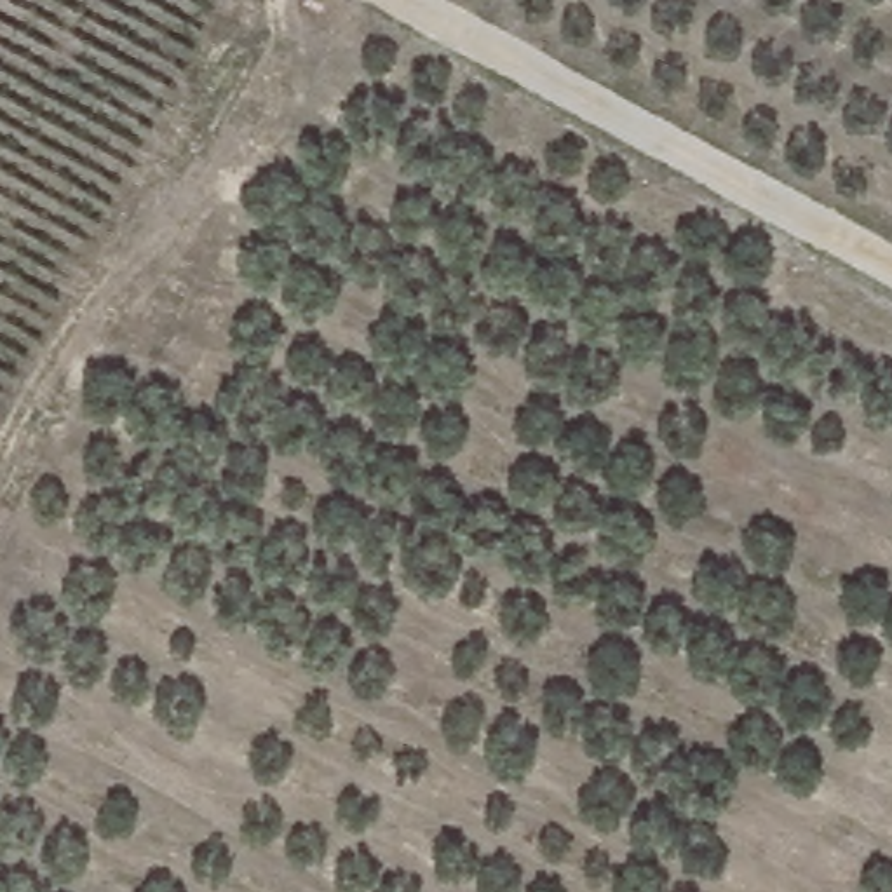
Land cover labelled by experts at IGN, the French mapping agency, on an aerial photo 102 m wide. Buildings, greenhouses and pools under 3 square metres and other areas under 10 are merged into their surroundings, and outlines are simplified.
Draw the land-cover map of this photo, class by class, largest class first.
<instances>
[{"label":"deciduous trees","instance_id":"1","mask_svg":"<svg viewBox=\"0 0 892 892\"><path fill-rule=\"evenodd\" d=\"M693 17V0H655L652 24L659 31L686 28ZM843 17V3L836 0H808L801 7L805 35L829 38H836ZM561 31L568 42H585L592 35V10L589 3H568ZM707 52L714 59H732L742 45V24L735 14L718 10L711 14L704 35ZM857 59L892 52V38L882 35L868 17L861 21L850 45ZM610 63H634L641 52V35L613 28L606 42ZM397 42L390 35H366L362 66L369 70V84H355L348 91L338 125H303L300 150L293 160L275 157L240 185V202L247 216H254V230L244 233L237 247L240 279L251 282V296L230 317L233 369L220 376V387L209 404H188L185 387L167 373L132 369L125 380H118L91 373L84 366V411L91 415L94 432L84 443L87 495L80 502L77 530L87 537L94 558L73 554L59 592L17 599L10 613V631L24 648L63 652V666L73 676V686L91 690L101 676L108 652V634L101 624L112 606L115 582L153 564L157 551L164 547L171 554L167 571L160 578L164 596H171L181 606H192L202 599L206 589L216 596V613L223 627L254 624L268 634L265 648L272 655L303 648L307 672H345L348 690L359 700H376L394 679V659L390 648H383L394 613L401 606V599L390 589V561L404 564V578L415 589H422V596H443L453 585L460 589L463 606H477L484 599L488 575L498 564H505L512 571V589L502 592L498 620L505 634L519 641H537L551 624L547 613L568 606L575 596L596 599L599 638L585 652L589 672L575 679L582 690L575 697L544 690V718L551 721L554 739L561 732H582L585 753L592 756L596 770L578 787L582 819L592 822L599 833L617 829L620 819L631 822V854L624 861H610V854L599 847L585 850V878L610 882L613 892H700L704 878H718L728 861V843L718 833V819L721 808H728L732 801L739 774L777 770V781L791 794H812L822 781V753L808 739L812 725H829L833 739L843 749H857L871 739V718L864 714L861 700L833 697L815 662L794 666L777 648L794 624L798 603L794 589L787 585L794 526L787 519L774 512H756L742 526V547L735 554H700L690 575L693 592L704 596L697 610L683 603L679 592L655 596L645 589V578L638 571L645 554L655 547V519L641 505V488L655 463V453L641 429H631L620 443L610 439V425L599 422L592 411L603 397L617 390L624 366L652 362L662 366L669 387H679L686 397L662 404L659 432L669 443V449H679L686 456H700L707 436L700 383L714 387L721 415L735 418L742 432L767 429L774 443H794L798 436H812V446L822 453L843 446V418L836 411L822 415L812 408L826 387L861 394L864 415L892 411V355H871L850 338L826 335L808 310L774 307L767 293V275L774 261L770 230L756 223L728 226L721 213L693 209L676 220L672 233L659 237L638 233V226L624 213H585L571 188V174L585 143L575 132H564L547 143V153L537 160L519 153H495V146L481 136L488 91L481 84H463L460 91L449 87L446 52H443L418 56L411 63V80L401 87H387L383 80L394 66ZM383 143L397 146L401 188L394 192L390 216L380 220L369 209H348L341 199V181L352 160L380 157ZM345 282H359L362 289H387L380 317L369 321L366 331L373 345L366 359L359 352H338L317 335V314H331ZM481 341L495 348V355H509L512 362H519L530 376V394L516 408L519 456L509 463V488L502 491H467L449 470V456L467 443L470 429V418L463 411V390L477 369L470 348ZM279 453H314L328 470V491L317 498L314 509L317 533L310 537L300 519H275L261 512L268 460ZM631 624H641L659 652H686L690 672L697 679H725L728 690L739 697L742 714H735V721L728 725V739L721 749L707 742H686L683 732L669 739H648L645 732L631 728V718L613 721V707H627L641 683V655L638 645L627 638ZM794 49H774L770 38H763L753 49V73L777 84L781 73L791 66ZM652 73L662 91H679V84L686 80V59L679 52H666L655 59ZM840 91V77L826 73L815 80L812 59H801L794 98L829 101ZM732 101V84L704 77L700 108L718 118ZM843 125L850 132H882L892 150V105L868 87H854L843 108ZM777 129V108L756 105L742 118V132L756 146H770ZM826 157L822 125L808 122L794 125L787 136V160L798 174H815ZM631 185V171L617 153H606L592 164L589 188L596 199H620ZM833 178L840 192L868 188V174L861 167L836 160ZM659 505L666 509L669 526L679 530L707 509V498L697 474H690L686 467H669L659 481ZM70 491L59 474H42L31 488V509L42 523H56L66 512ZM840 606L847 617V638L836 645V662L843 676L850 683L868 686L878 672L882 645L861 631L868 620H875L892 634V585L889 571L878 564H861L843 575ZM488 652L484 631H470L453 645V672L460 679L477 672ZM115 700L139 704L146 690V659L122 655L112 679ZM530 669L516 659H502L495 669V683L502 693L519 697L526 690ZM59 686L49 672L24 669L17 676L10 707L0 711V760H7V767L14 770V784H35L42 777L49 763V746L42 735L45 725L56 718ZM206 707V686L199 676L181 672L164 676L157 683L153 714L174 739L188 742ZM293 718L310 728L314 739H328V690H310ZM484 714L481 697L460 693L443 711V735L453 753L474 742L477 718ZM530 721L519 718L516 707H502L488 728V770L498 781H523L533 767L537 742L523 739V728ZM383 749V735L362 725L352 732V753L359 760H369ZM293 763V742H286L275 728H265L251 742V770L258 781H279ZM429 767L425 749L401 746L394 756L397 781L422 777ZM139 812L136 794L125 784H115L105 791V801L98 808V829L108 840L125 836L136 826ZM380 812V798L362 794L355 784H345L338 791V819L348 822V829H366ZM484 819L491 829H505L512 819V798L495 791L484 801ZM10 836L42 850L49 864L45 878L24 861L3 864ZM91 861L84 826H77L73 819H59L52 826L45 822V812L35 798L0 794V892H70L73 878L84 875ZM282 819V808L275 798H258L244 805L240 829L247 843H268ZM324 826L293 822L286 840L289 861H324ZM571 847V833L561 822H544L540 850L561 861ZM436 875L443 882L474 878L477 892H568L558 875L540 871L537 878H530L509 850L484 854L456 826H443L432 847ZM233 861L223 843V833H213L209 840L195 843L192 868L202 882L220 885L230 875ZM338 892H422L418 871L387 868L366 843H359L338 854ZM864 892H892V857L868 854V861L861 864ZM132 892H185V882L178 875H171L167 868H150Z\"/></svg>","mask_w":892,"mask_h":892},{"label":"plowed land","instance_id":"2","mask_svg":"<svg viewBox=\"0 0 892 892\"><path fill-rule=\"evenodd\" d=\"M268 35L261 45V59L258 66L240 70L244 87L220 101V112L209 122L213 143H199V136L192 132V101H178L174 108H153L150 101L132 98L129 108L150 115L153 122V129L139 125V118L122 122L143 139L136 167L108 157L105 150L77 139L73 132L31 112H21V122L42 129L45 136L87 153L91 160L112 167L118 178L132 181L143 199L139 213L146 233H139L136 244L122 254H98L101 279L80 296L77 307L66 310L59 328L35 345L28 366L21 369L24 380L17 383L0 418V711L10 707L17 676L24 669L49 672L59 686L56 718L45 725L42 735L49 746V763L42 777L35 784H14V770L7 767V760H0V794L35 798L45 812V822L52 826L59 819H73L77 826H84L91 861L84 875L73 878L70 892H132L150 868H167L171 875H178L185 882V892H338V854L359 843H366L387 868L418 871L422 892H477L474 878L443 882L436 875L432 847L443 826H456L484 854L509 850L530 878H537L540 871L558 875L568 892H613L610 882L585 878V850L599 847L610 854V861H624L631 854V822L620 819L617 829L599 833L592 822L582 819L578 787L596 770L592 756L585 753L582 732H561L554 739L551 721L544 718V690L575 697L582 690L575 679L589 672L585 652L599 638L596 599L575 596L568 606L547 613L551 624L537 641H519L505 634L498 620L502 592L512 589V571L505 564H498L488 575L484 599L477 606H463L460 589L453 585L443 596H422V589H415L404 578V564L390 561V589L401 599V606L394 613L383 648H390L394 659V679L376 700H359L348 690L345 672H307L303 648L272 655L265 648L268 634L254 624L223 627L216 613V596L206 589L202 599L192 606H181L171 596H164L160 578L167 571L171 554L164 547L157 551L153 564L115 582L112 606L101 624L108 634V652L101 676L91 690L73 686V676L63 666V652L24 648L10 631V613L17 599L59 592L73 554L94 558L87 537L77 530L80 502L87 495L84 443L94 432L91 415L84 411V366L91 373L118 380H125L132 369L167 373L185 387L188 404H209L220 387V376L233 369L230 317L251 296V282L240 279L237 247L244 233L254 230V216H247L240 202V185L275 157L293 160L300 150L303 125H338L348 91L355 84H369V70L362 66L366 35H390L397 42L394 66L383 80L387 87H401L411 80V63L418 56L443 52L418 28L397 21L369 0H265ZM42 474H59L70 491L66 512L56 523H42L31 509V488ZM470 631H484L488 652L477 672L460 679L453 672V645ZM122 655L146 659V690L139 704L115 700L112 679ZM502 659H516L530 669L526 690L519 697L502 693L495 683V669ZM181 672L199 676L206 686V707L188 742L174 739L153 714L157 683L164 676ZM310 690H328V739H314L310 728L293 718ZM460 693L481 697L484 714L477 718L474 742L453 753L443 735V711ZM502 707H516L519 718L530 721L523 728V739L537 742L533 767L523 781H498L488 770V728ZM362 725L383 735V749L369 760H359L352 753V732ZM265 728H275L286 742H293V763L279 781H258L251 770V742ZM401 746L425 749L429 767L422 777L397 781L394 756ZM115 784H125L136 794L139 812L136 826L125 836L108 840L98 829V808L105 801V791ZM345 784H355L362 794L380 798V812L366 829H348V822L338 819V791ZM495 791L512 798V819L505 829H491L484 819V801ZM258 798H275L282 808V819L268 843H247L240 829L244 805ZM293 822L324 826V861H289L286 840ZM544 822H561L571 833V847L561 861L540 850ZM213 833H223V843L233 861L230 875L220 885L202 882L192 868L195 843L209 840ZM481 21L537 45L561 66L672 122L676 129L704 139L707 146L791 185L812 202L836 209L840 216L892 244V150L882 132H850L843 125V108L854 87H868L892 105V52L857 59L850 45L861 21L868 17L882 35L892 38V0H836L843 3V17L836 38H829L805 35L801 7L808 0H693V17L686 28L659 31L652 24L655 0H453ZM568 3H589L592 10V35L585 42H568L561 31ZM718 10L735 14L742 24V45L732 59H714L707 52L704 35L711 14ZM613 28L641 35V52L634 63H610L606 42ZM763 38H770L774 49H794L791 66L781 73L777 84L753 73V49ZM666 52H679L686 59V80L679 84V91H662L652 73L655 59ZM801 59H812L815 80L826 73L840 77V91L829 101L794 98ZM704 77L732 84V101L718 118L700 108ZM756 105L777 108V129L770 146H756L742 132V118ZM808 122L822 125L826 157L815 174H798L787 160V136L794 125ZM836 160L861 167L868 174V188L840 192L833 178ZM449 87L460 91L463 84H481L488 91L481 136L495 146V153H519L537 160L547 153V143L564 132H575L585 143L571 174V188L585 213H624L638 226V233L659 237L672 233L676 220L693 209L721 213L728 226L756 223L749 209L721 199L714 188L648 157L645 150L617 139L613 132L578 118L575 112L533 94L519 80L470 56L446 52ZM606 153H617L631 171V185L620 199H596L589 188L592 164ZM397 146L383 143L380 157L352 160L341 181V199L348 209H369L380 220L390 216L394 192L401 188ZM774 261L767 275V293L774 307L808 310L826 335L850 338L871 355H892V286L878 282L875 275L854 268L850 261L808 240H798L787 230H770ZM387 289H362L359 282H345L331 314H317V335L338 352H359L366 359L373 345L366 331L369 321L380 317ZM477 369L463 390V411L470 418V429L467 443L449 456V470L467 491H502L509 488V463L519 456L516 408L530 394V376L519 362H512L509 355H495V348L481 341L470 348ZM686 397L679 387H669L662 366L652 362L624 366L617 390L603 397L592 411L599 422L610 425V439L620 443L631 429H641L655 453V463L641 488V505L655 519V547L645 554L638 571L645 578V589L655 596L679 592L683 603L697 610L704 596L693 592L690 575L700 554H735L742 547V526L756 512H774L787 519L794 526L787 585L794 589L798 603L794 624L777 648L794 666L815 662L833 697L861 700L864 714L871 718V739L857 749H843L833 739L829 725H812L808 739L822 753V781L812 794H791L777 781V770L739 774L732 801L728 808H721L718 819V833L728 843V861L718 878H704L700 892H864L861 864L868 861V854L892 857V634L875 620H868L861 631L882 645L878 672L868 686L850 683L843 676L836 662V645L847 638V617L840 606L843 575L861 564H878L889 571L892 585V411L864 415L861 394L826 387L812 408L822 415L836 411L843 418V446L822 453L812 446V436H798L794 443H774L767 429L742 432L735 418L721 415L714 387L700 383L707 436L700 456H686L679 449H669V443L659 432L662 404ZM669 467H686L690 474H697L707 498V509L679 530L669 526L666 509L659 505V481ZM328 491V470L314 453H279L268 460L261 512L275 519H300L310 537L317 533L314 509L317 498ZM627 638L638 645L641 655V683L627 707H613V721L631 718V728L645 732L648 739H669L683 732L686 742H707L721 749L728 739V725L735 721V714H742L739 697L728 690L725 679H697L690 672L686 652H659L641 624H631ZM24 861L45 878L49 864L42 850L10 836L3 864Z\"/></svg>","mask_w":892,"mask_h":892},{"label":"vineyard","instance_id":"3","mask_svg":"<svg viewBox=\"0 0 892 892\"><path fill-rule=\"evenodd\" d=\"M268 35L265 0H0V418L17 383L24 380L21 369L28 366L35 345L59 328L66 310L77 307L80 296L101 279L98 254H122L136 244L139 233H146L139 213L143 199L132 181L118 178L112 167L91 160L87 153L45 136L42 129L21 122V112H31L73 132L77 139L105 150L108 157L136 167L143 139L122 122L139 118V125L153 129V122L150 115L129 108L132 98L150 101L153 108H174L178 101H192V132L199 136V143H213L209 122L220 112V101L244 87L240 70L258 66L261 59V45Z\"/></svg>","mask_w":892,"mask_h":892},{"label":"pervious surface","instance_id":"4","mask_svg":"<svg viewBox=\"0 0 892 892\"><path fill-rule=\"evenodd\" d=\"M397 21L418 28L443 52H446L470 56L519 80L533 94L575 112L578 118L613 132L617 139L645 150L648 157L714 188L721 199L749 209L756 223L770 230H787L798 240H808L850 261L854 268L875 275L878 282L892 286V244L840 216L836 209L812 202L791 185L707 146L704 139L676 129L672 122L561 66L537 45L481 21L453 0H369Z\"/></svg>","mask_w":892,"mask_h":892}]
</instances>
